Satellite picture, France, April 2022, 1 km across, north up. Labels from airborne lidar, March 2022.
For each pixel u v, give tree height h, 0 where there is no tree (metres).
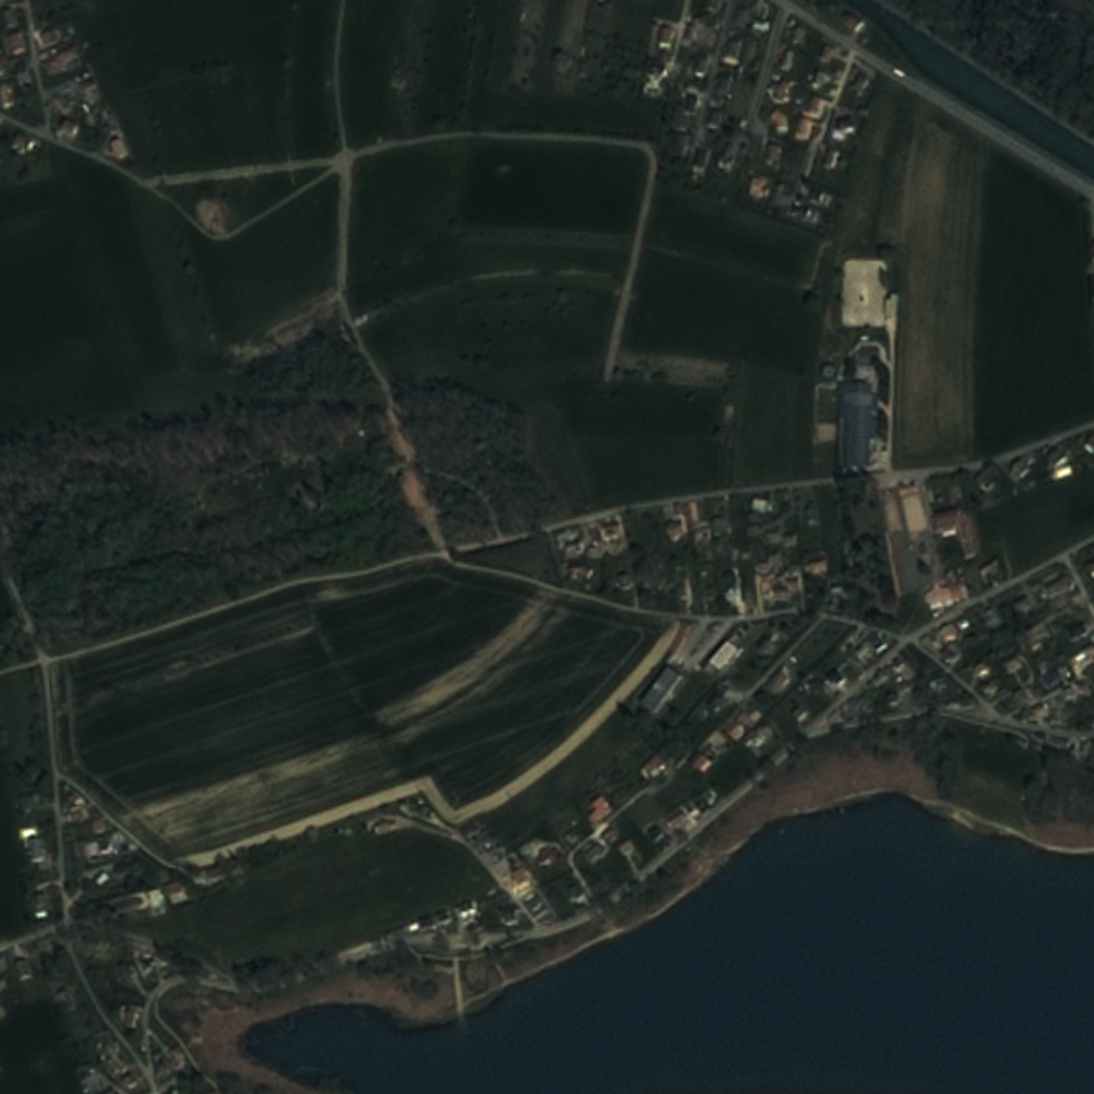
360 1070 0
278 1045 0
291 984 25
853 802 0
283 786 0
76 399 0
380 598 0
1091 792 23
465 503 16
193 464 26
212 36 0
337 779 0
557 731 0
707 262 0
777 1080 0
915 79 0
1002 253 0
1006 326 0
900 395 0
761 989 0
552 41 0
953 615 0
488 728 0
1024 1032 0
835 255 0
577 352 0
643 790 0
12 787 0
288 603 0
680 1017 0
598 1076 0
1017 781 0
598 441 0
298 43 0
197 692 0
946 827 0
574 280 0
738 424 0
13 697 0
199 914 0
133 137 0
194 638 0
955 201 0
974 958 0
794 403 0
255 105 0
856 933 0
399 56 0
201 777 0
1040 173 0
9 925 0
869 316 0
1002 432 0
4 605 0
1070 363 0
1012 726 0
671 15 0
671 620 0
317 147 0
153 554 10
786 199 0
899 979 0
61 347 0
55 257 0
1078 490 0
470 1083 0
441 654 0
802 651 0
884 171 0
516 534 15
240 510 0
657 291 0
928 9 22
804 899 0
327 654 0
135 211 0
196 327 0
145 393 0
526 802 0
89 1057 0
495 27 0
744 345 0
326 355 18
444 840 0
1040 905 0
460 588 0
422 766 0
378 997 0
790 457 0
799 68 0
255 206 0
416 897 0
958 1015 0
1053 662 0
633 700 0
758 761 0
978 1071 0
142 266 0
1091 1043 0
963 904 0
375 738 0
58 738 0
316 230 0
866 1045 0
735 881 0
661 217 0
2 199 0
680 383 0
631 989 0
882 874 0
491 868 0
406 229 0
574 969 0
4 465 25
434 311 0
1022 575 0
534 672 0
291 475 0
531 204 0
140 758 0
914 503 0
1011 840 0
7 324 0
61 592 18
